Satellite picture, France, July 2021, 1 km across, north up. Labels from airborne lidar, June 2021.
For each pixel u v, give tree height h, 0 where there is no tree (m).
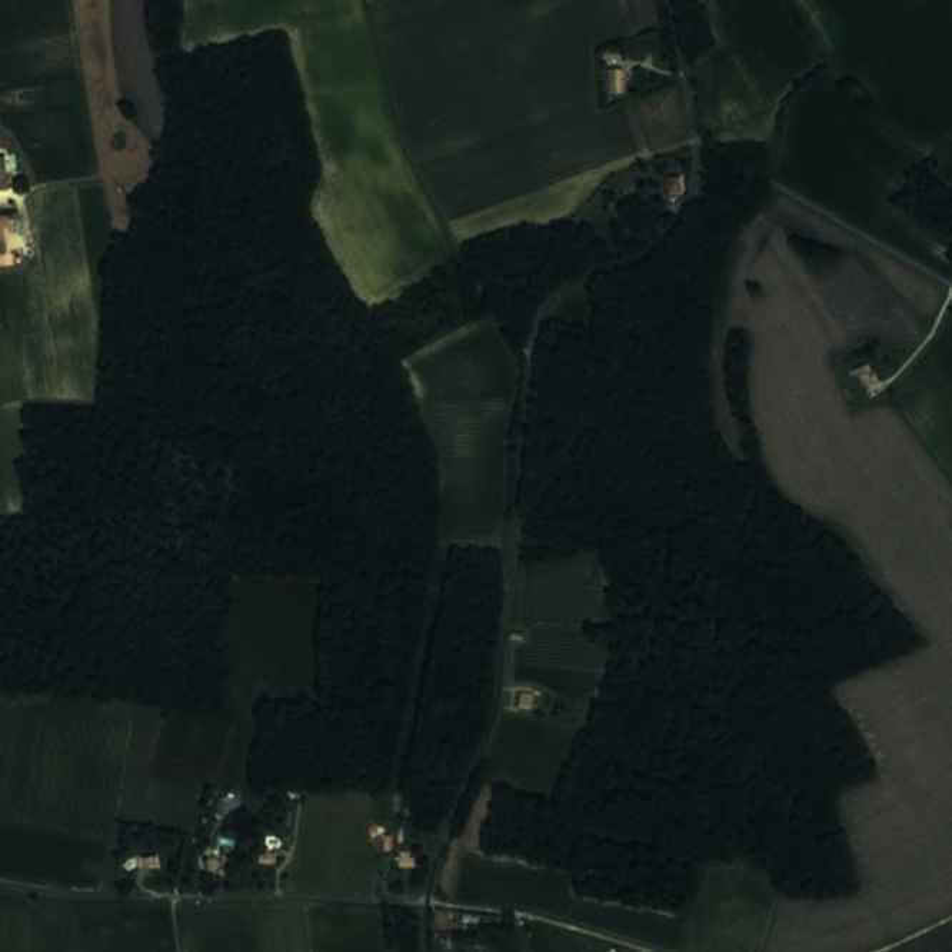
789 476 0
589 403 18
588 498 18
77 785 0
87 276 0
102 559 25
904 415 0
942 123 0
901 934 0
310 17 0
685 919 0
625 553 16
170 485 16
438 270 12
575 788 18
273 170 25
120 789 0
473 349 0
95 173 0
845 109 0
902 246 0
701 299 26
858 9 0
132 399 16
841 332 0
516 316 19
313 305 18
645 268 20
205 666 24
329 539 20
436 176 0
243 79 23
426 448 17
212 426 29
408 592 28
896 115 0
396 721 16
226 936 0
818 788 26
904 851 0
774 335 0
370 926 0
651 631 18
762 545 29
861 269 0
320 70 0
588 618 0
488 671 20
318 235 19
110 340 17
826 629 21
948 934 0
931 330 0
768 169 19
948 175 0
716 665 19
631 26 0
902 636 24
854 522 0
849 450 0
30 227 0
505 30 0
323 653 19
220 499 17
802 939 0
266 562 14
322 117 0
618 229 16
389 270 0
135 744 0
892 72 0
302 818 0
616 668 18
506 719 0
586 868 21
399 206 0
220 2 0
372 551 14
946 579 0
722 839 27
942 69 0
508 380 0
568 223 17
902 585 0
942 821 0
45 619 16
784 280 0
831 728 24
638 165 7
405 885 7
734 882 0
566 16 0
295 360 20
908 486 0
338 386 19
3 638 24
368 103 0
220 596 19
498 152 0
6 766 0
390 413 16
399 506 17
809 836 26
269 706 22
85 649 20
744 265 0
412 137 0
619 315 30
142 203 24
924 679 0
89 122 0
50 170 0
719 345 0
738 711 28
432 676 18
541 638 0
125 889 11
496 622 12
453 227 0
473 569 19
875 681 0
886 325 0
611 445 20
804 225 0
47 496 6
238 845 6
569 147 0
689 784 28
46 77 0
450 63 0
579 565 0
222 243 20
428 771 24
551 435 16
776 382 0
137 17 0
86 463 11
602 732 23
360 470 19
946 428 0
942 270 0
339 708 26
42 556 8
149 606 21
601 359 24
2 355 0
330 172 0
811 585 16
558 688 0
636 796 32
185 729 0
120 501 16
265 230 21
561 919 0
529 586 0
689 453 20
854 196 0
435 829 13
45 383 0
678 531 23
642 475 22
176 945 0
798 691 19
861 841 0
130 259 20
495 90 0
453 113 0
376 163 0
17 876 0
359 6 0
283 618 0
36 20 0
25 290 0
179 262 29
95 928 0
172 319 22
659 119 0
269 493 18
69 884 0
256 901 0
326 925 0
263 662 0
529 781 0
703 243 23
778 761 27
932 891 0
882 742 0
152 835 12
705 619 19
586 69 0
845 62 0
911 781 0
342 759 23
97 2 0
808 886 23
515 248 20
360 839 0
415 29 0
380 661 28
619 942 0
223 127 25
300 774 22
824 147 0
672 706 23
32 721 0
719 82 0
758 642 27
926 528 0
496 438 0
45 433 13
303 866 0
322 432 21
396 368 18
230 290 23
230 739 0
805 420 0
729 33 0
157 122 0
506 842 14
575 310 0
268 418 22
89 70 0
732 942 0
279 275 15
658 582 15
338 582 13
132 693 17
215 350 21
